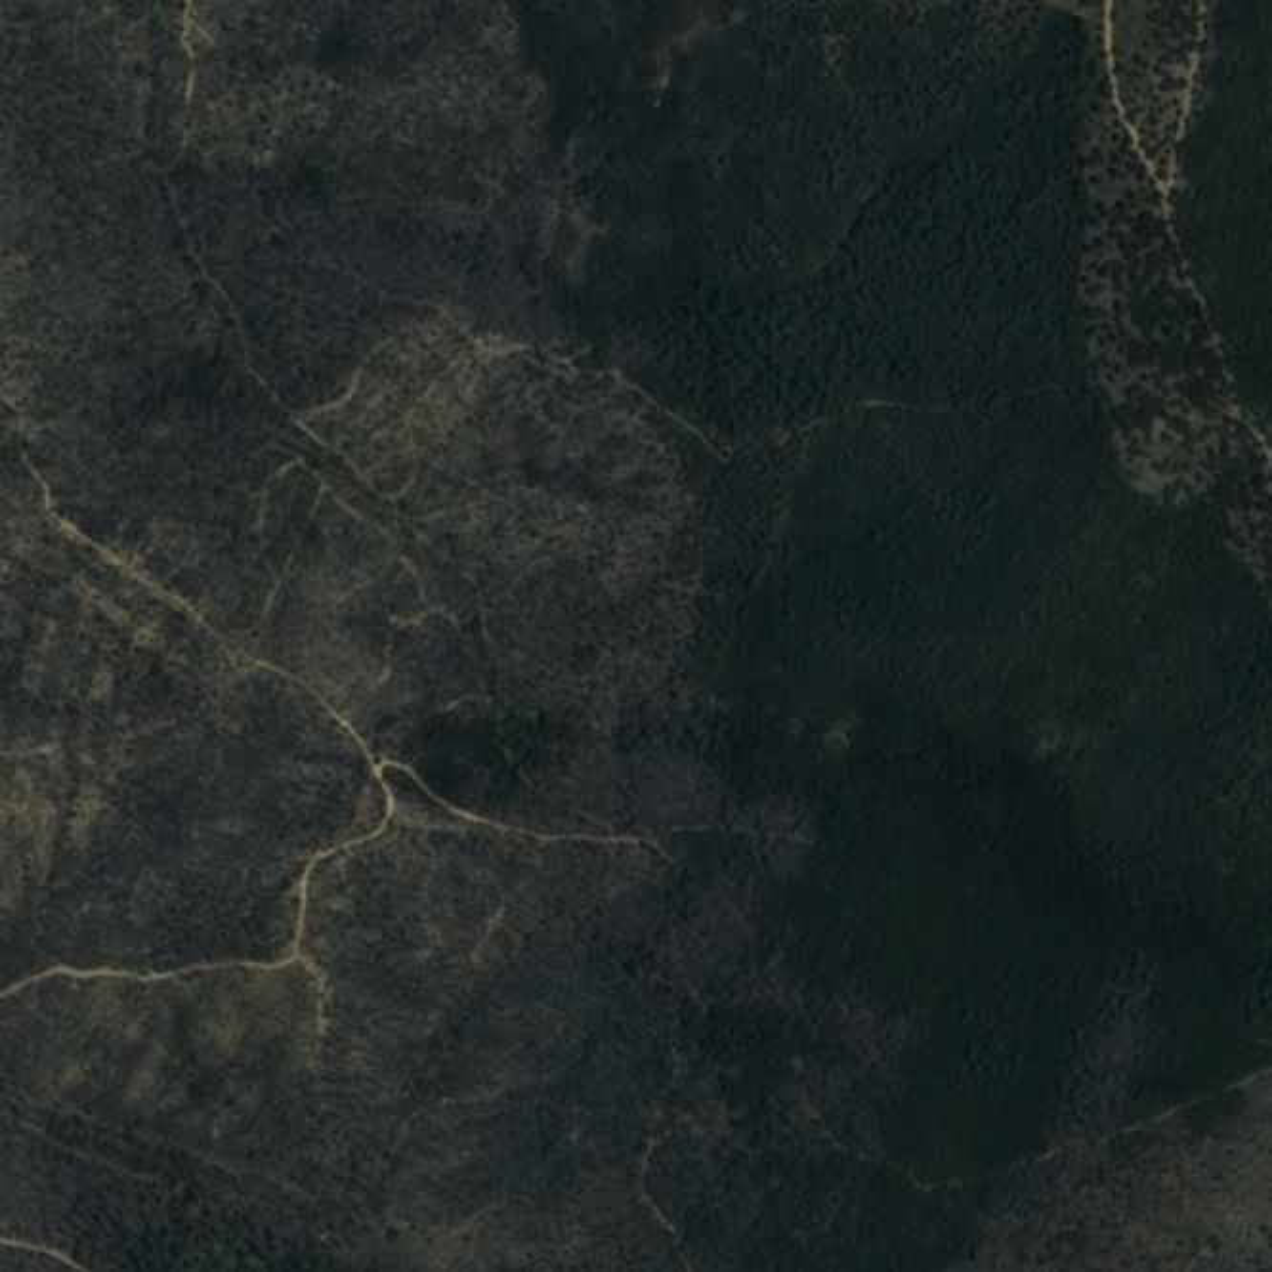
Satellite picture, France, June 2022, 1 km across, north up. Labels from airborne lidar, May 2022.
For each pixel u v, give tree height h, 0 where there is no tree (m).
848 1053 13
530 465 5
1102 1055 18
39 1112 0
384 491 8
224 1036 0
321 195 6
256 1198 19
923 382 16
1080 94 17
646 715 13
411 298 16
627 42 6
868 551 7
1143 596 11
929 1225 6
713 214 7
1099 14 0
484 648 14
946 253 14
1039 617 11
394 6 13
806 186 7
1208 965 6
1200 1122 8
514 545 0
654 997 13
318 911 0
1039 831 18
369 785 0
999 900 12
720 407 10
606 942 18
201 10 0
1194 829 8
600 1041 11
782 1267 9
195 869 0
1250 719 7
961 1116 6
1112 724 8
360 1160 20
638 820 14
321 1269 9
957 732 8
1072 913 6
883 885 7
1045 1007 13
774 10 8
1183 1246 10
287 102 0
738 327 18
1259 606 7
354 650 0
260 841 11
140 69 10
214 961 13
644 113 6
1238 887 9
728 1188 8
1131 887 16
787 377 22
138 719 14
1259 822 8
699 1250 6
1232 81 7
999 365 7
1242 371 9
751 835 6
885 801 10
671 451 5
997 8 12
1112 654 8
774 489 15
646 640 11
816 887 7
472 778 9
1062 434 7
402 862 0
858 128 11
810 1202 8
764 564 14
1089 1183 9
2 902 0
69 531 0
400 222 10
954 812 13
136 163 14
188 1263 16
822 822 8
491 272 15
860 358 17
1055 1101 10
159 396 10
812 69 7
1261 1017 16
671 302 6
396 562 0
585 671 13
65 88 9
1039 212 13
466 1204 17
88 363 8
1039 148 11
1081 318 13
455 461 0
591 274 6
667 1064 11
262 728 15
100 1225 20
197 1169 9
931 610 8
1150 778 8
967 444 8
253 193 9
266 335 11
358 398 0
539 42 8
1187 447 9
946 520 7
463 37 7
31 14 8
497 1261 0
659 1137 8
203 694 11
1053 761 7
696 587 11
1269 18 6
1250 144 18
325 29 14
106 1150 14
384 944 10
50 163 15
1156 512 10
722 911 19
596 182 6
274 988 0
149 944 0
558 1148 13
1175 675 7
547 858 13
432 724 11
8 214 0
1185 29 8
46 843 0
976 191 11
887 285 6
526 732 11
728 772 10
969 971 13
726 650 17
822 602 7
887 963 6
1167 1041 10
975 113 14
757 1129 11
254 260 21
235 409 12
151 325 22
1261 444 6
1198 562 9
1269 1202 0
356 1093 0
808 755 6
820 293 16
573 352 8
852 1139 6
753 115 6
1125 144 7
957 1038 10
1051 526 8
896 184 18
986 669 8
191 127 9
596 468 9
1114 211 8
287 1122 9
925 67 6
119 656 11
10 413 7
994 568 8
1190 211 11
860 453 7
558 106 6
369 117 0
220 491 13
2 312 0
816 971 12
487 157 0
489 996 6
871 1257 6
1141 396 11
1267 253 14
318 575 0
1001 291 11
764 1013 11
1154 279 8
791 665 12
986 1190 6
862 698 7
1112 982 7
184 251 11
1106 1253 8
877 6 11
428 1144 0
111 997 0
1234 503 10
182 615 8
